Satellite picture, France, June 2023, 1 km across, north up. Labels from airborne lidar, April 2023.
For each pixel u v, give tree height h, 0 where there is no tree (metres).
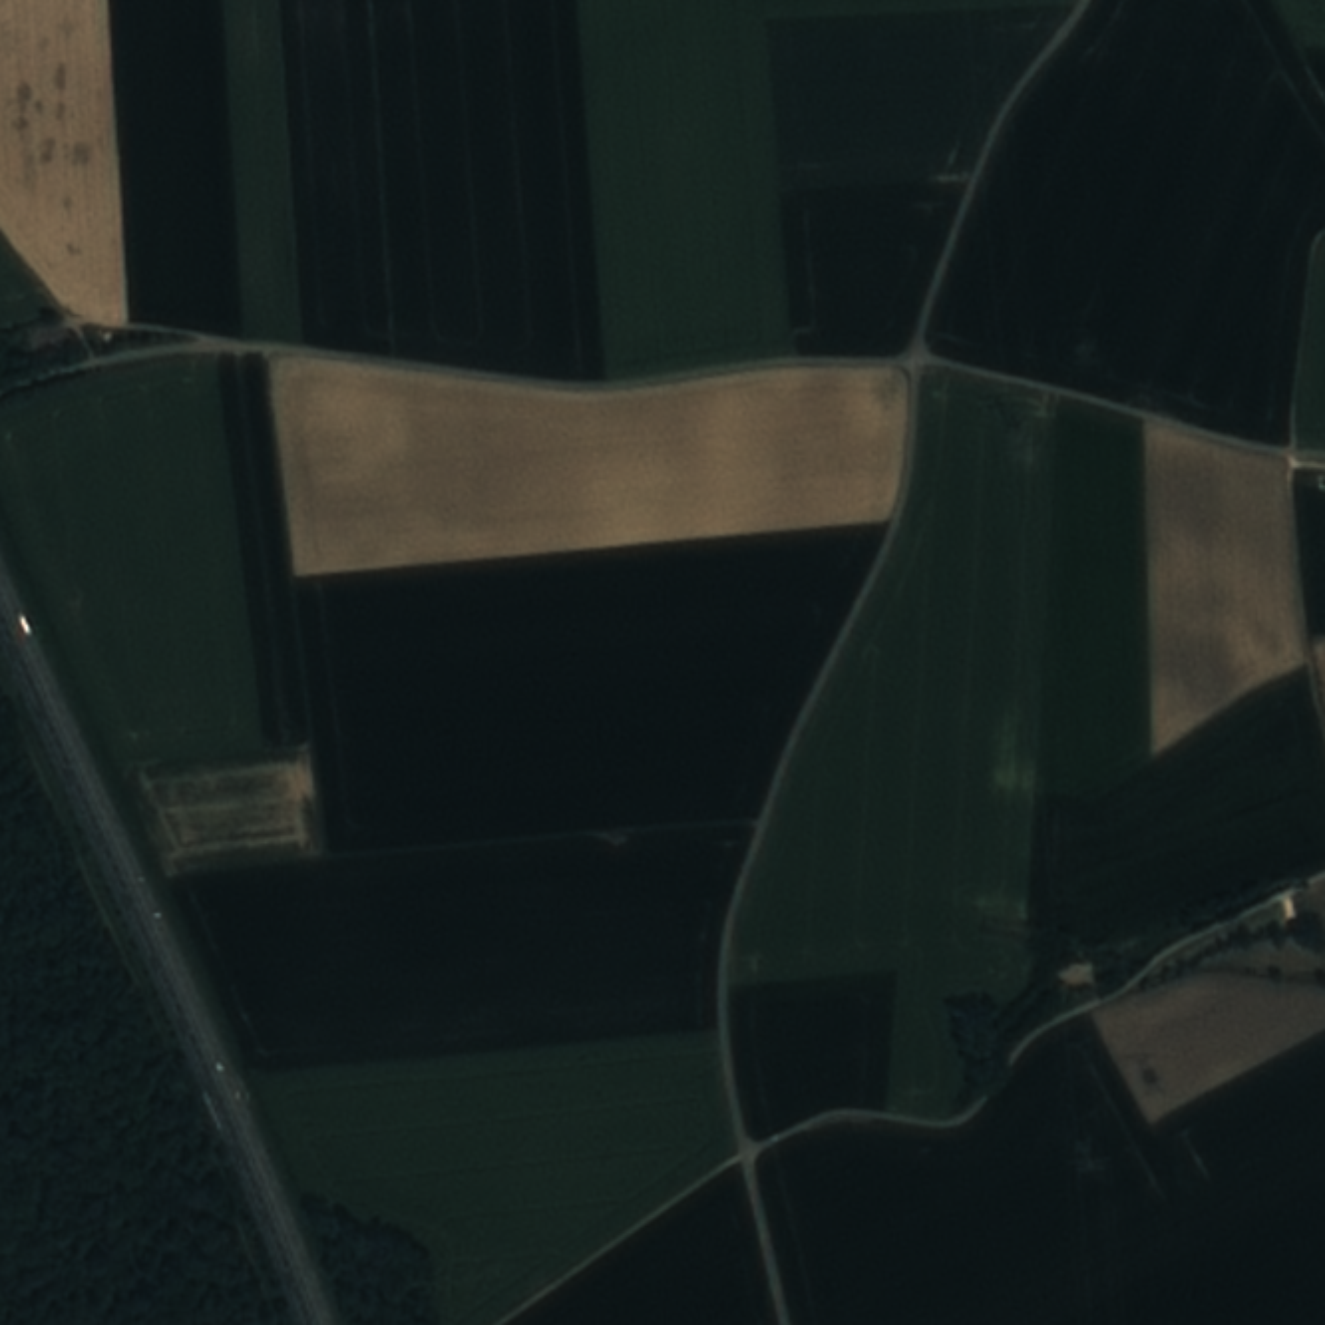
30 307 0
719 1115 0
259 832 0
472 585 0
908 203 0
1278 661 0
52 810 11
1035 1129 0
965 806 0
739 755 0
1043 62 0
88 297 0
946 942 0
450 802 0
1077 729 0
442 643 0
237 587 0
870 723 0
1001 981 0
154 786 0
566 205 0
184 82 0
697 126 0
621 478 0
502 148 0
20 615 0
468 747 0
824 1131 0
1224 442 0
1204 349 0
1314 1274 0
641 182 0
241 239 0
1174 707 0
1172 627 0
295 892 0
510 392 0
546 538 0
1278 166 0
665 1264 0
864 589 0
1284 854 0
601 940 0
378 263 0
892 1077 0
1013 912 0
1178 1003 0
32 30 0
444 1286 0
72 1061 30
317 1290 0
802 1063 0
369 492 0
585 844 0
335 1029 0
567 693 0
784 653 0
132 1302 25
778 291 0
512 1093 0
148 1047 22
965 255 0
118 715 0
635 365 0
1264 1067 0
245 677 0
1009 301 0
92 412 0
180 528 0
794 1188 0
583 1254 0
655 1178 0
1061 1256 0
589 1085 0
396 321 0
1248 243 0
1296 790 0
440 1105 0
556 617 0
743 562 0
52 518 0
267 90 0
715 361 0
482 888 0
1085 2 0
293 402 0
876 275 0
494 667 0
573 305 0
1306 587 0
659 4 0
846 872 0
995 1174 0
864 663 0
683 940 0
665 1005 0
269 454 0
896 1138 0
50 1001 18
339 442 0
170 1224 27
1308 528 0
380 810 0
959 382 0
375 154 0
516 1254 0
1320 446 0
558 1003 0
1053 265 0
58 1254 25
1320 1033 0
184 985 0
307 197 0
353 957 0
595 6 0
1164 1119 0
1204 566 0
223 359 0
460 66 0
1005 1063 24
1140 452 0
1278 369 0
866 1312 0
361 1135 0
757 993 0
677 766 0
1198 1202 0
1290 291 0
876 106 0
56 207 0
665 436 0
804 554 0
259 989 0
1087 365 0
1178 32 0
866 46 0
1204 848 0
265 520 0
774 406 0
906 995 0
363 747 0
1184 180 0
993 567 0
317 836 0
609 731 0
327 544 0
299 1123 0
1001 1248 0
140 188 0
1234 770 0
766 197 0
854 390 0
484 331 0
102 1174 24
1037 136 0
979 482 0
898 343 0
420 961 0
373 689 0
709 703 0
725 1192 0
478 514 0
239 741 0
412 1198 0
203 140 0
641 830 0
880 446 0
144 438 0
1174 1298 0
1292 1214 0
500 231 0
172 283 0
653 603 0
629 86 0
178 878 0
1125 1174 0
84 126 0
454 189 0
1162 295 0
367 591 0
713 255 0
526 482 0
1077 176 0
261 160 0
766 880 0
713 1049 0
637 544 0
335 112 0
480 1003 0
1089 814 0
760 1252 0
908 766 0
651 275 0
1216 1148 0
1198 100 0
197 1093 12
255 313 0
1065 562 0
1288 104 0
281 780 0
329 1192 0
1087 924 0
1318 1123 0
